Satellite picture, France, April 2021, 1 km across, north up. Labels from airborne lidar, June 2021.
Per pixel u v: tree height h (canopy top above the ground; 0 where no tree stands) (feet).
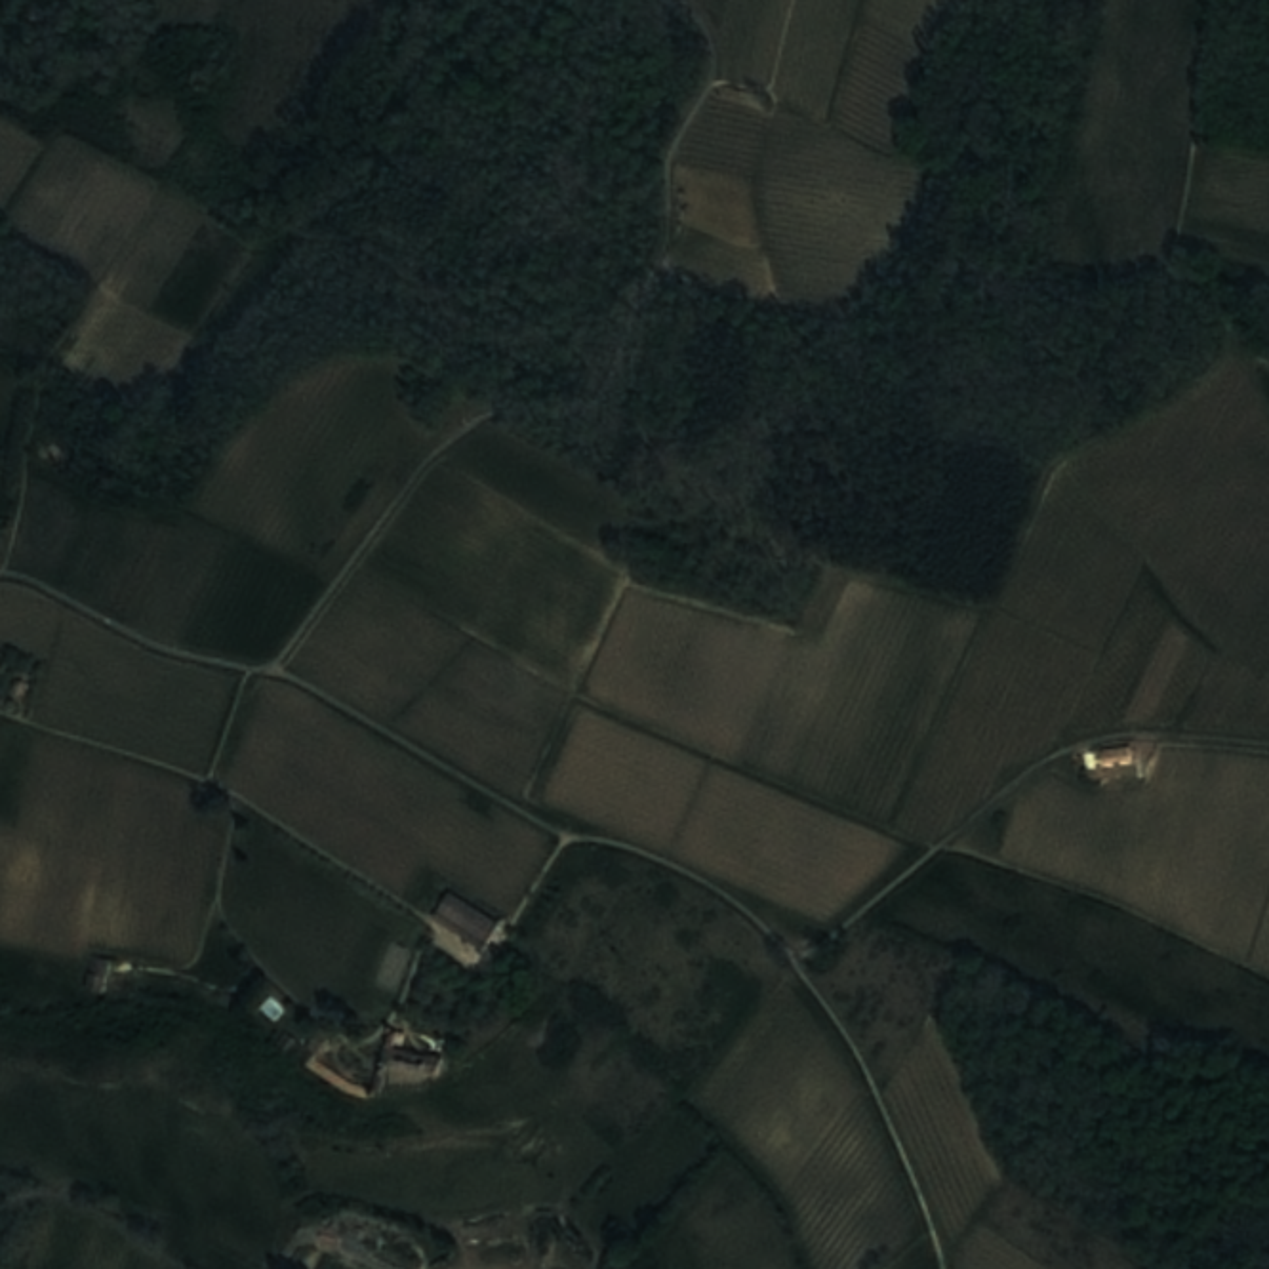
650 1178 0
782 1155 0
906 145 51
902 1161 0
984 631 0
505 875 0
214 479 0
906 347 70
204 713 0
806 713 0
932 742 0
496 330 64
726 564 30
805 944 0
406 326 73
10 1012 29
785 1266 0
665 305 64
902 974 0
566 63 63
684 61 60
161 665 0
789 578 59
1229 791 0
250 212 54
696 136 0
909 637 0
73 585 0
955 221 71
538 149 46
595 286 34
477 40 75
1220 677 0
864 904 0
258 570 0
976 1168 0
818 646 0
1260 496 0
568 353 60
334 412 0
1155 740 0
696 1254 0
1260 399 0
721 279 0
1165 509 0
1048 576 0
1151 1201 61
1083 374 51
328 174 108
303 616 0
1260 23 81
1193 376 58
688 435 56
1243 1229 76
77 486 0
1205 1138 61
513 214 52
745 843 0
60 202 0
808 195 0
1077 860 0
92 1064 0
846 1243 0
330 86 91
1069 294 69
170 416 79
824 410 73
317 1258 0
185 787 0
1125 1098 70
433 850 0
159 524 0
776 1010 0
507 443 0
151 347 0
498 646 0
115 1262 0
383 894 21
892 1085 0
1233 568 0
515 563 0
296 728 0
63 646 0
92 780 0
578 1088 0
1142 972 0
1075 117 24
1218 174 0
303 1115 42
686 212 0
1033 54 70
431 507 0
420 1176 0
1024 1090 64
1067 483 0
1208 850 0
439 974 52
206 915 0
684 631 0
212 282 0
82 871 0
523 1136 0
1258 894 0
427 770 0
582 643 0
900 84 0
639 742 0
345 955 0
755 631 0
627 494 65
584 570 0
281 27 0
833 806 0
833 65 0
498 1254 0
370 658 0
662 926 0
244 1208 0
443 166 58
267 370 73
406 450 0
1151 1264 45
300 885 0
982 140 87
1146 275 56
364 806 0
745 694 0
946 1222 0
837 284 0
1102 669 0
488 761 0
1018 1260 0
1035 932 0
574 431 70
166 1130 0
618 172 62
